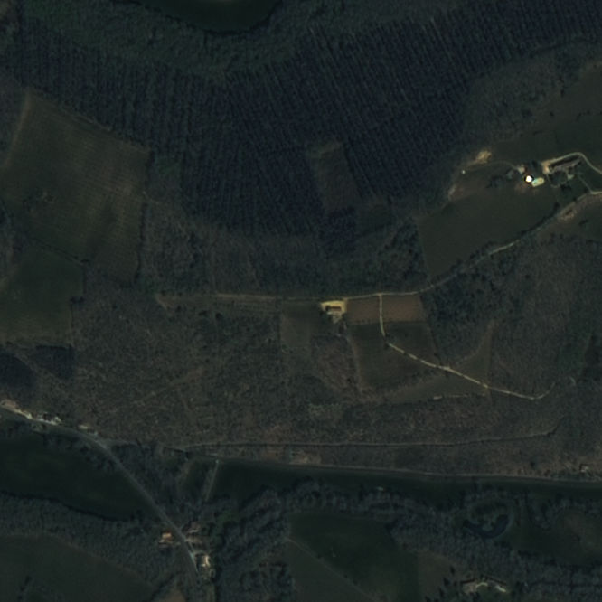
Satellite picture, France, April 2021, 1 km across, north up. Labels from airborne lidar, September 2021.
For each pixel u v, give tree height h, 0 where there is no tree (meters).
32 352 11
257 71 16
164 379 10
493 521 18
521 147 0
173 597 0
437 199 17
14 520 20
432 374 10
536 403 10
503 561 24
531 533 0
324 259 18
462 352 10
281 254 17
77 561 0
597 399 13
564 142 0
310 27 17
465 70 14
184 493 0
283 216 24
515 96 16
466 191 0
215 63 21
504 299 16
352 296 14
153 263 11
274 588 19
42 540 0
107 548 17
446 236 0
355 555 0
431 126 16
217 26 0
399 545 18
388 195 18
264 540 19
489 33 20
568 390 16
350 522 0
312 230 18
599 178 0
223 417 6
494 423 11
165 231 9
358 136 19
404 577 0
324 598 0
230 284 16
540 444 16
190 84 20
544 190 0
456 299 15
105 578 0
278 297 13
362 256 17
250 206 20
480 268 10
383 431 7
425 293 16
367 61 14
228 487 0
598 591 21
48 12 20
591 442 13
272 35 22
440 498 0
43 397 10
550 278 11
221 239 14
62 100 21
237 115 24
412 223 16
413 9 15
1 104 20
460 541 20
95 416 7
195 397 9
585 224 11
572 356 17
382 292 13
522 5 16
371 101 17
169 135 15
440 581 0
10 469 0
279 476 0
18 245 11
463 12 17
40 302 0
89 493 0
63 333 0
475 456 15
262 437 9
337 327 0
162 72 21
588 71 10
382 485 0
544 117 0
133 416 6
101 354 11
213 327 7
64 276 0
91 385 7
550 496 0
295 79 20
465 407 11
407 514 18
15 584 0
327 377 9
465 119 17
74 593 0
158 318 17
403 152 17
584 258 20
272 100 19
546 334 14
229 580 21
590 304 15
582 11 15
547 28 17
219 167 16
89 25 20
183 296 12
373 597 0
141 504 0
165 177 18
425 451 15
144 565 16
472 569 13
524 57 19
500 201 0
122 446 6
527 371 8
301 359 0
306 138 23
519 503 9
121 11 21
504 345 14
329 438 6
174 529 0
